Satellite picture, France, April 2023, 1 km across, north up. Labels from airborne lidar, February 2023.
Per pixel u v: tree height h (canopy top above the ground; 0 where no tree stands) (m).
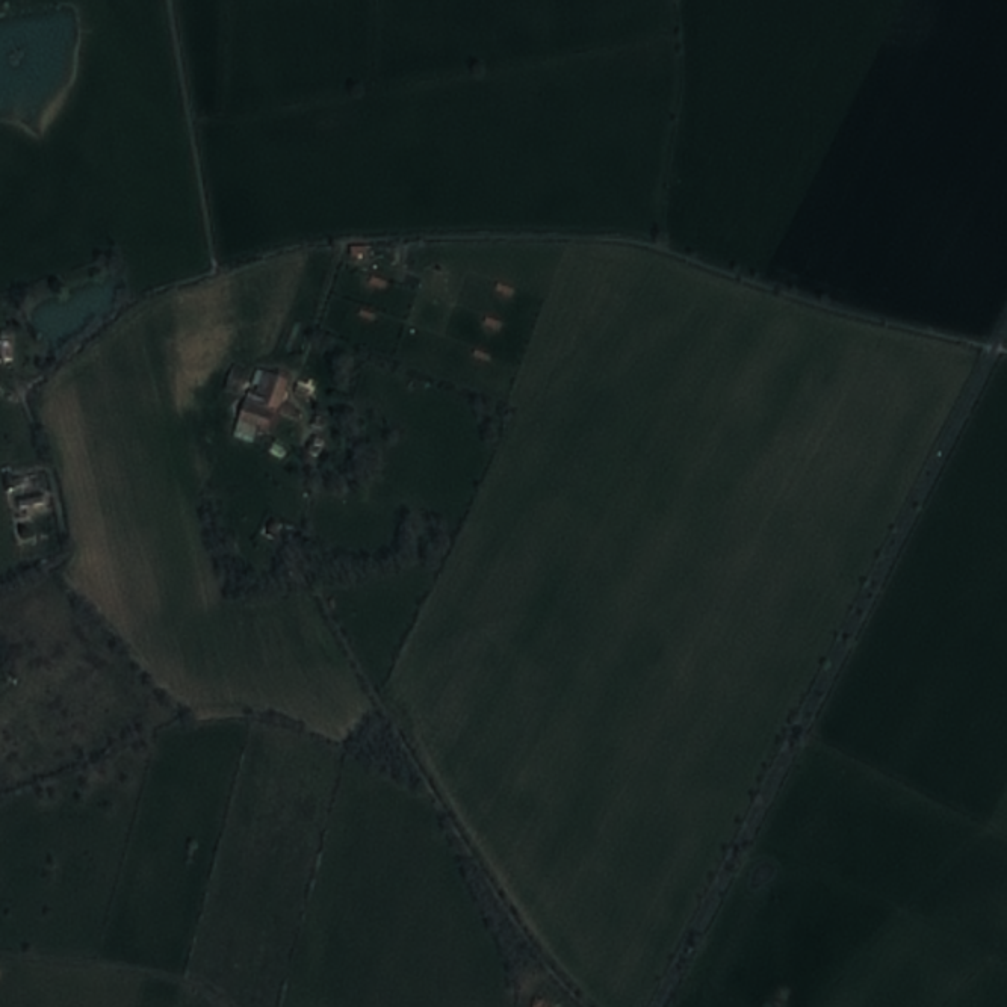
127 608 0
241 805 0
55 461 13
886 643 0
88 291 0
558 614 0
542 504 0
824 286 0
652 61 0
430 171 0
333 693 0
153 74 0
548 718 0
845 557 0
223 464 0
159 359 0
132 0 0
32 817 0
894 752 0
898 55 0
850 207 0
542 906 0
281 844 0
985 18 0
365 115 0
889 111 0
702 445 0
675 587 0
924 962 0
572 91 0
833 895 0
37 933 0
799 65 0
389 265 0
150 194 0
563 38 0
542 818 0
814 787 0
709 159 0
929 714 0
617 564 0
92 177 0
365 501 12
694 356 0
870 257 0
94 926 0
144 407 0
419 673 0
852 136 0
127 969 0
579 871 0
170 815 0
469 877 15
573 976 0
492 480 0
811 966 0
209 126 0
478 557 0
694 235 0
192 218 0
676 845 0
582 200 0
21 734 0
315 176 0
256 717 13
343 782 0
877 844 0
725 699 0
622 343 0
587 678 0
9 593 20
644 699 0
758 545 0
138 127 0
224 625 0
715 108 0
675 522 0
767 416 0
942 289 0
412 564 19
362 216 0
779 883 0
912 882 0
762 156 0
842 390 0
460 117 0
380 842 0
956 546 0
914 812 0
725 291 0
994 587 0
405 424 0
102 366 0
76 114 0
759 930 0
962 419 0
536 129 0
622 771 0
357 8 0
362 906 0
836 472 0
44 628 0
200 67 0
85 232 0
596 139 0
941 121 0
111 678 0
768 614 0
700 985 0
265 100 0
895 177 0
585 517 0
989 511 0
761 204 0
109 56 0
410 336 0
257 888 0
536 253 0
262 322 0
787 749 13
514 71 0
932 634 0
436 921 0
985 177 0
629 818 0
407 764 18
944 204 0
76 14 0
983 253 0
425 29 0
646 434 0
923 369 0
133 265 0
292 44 0
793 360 0
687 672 0
